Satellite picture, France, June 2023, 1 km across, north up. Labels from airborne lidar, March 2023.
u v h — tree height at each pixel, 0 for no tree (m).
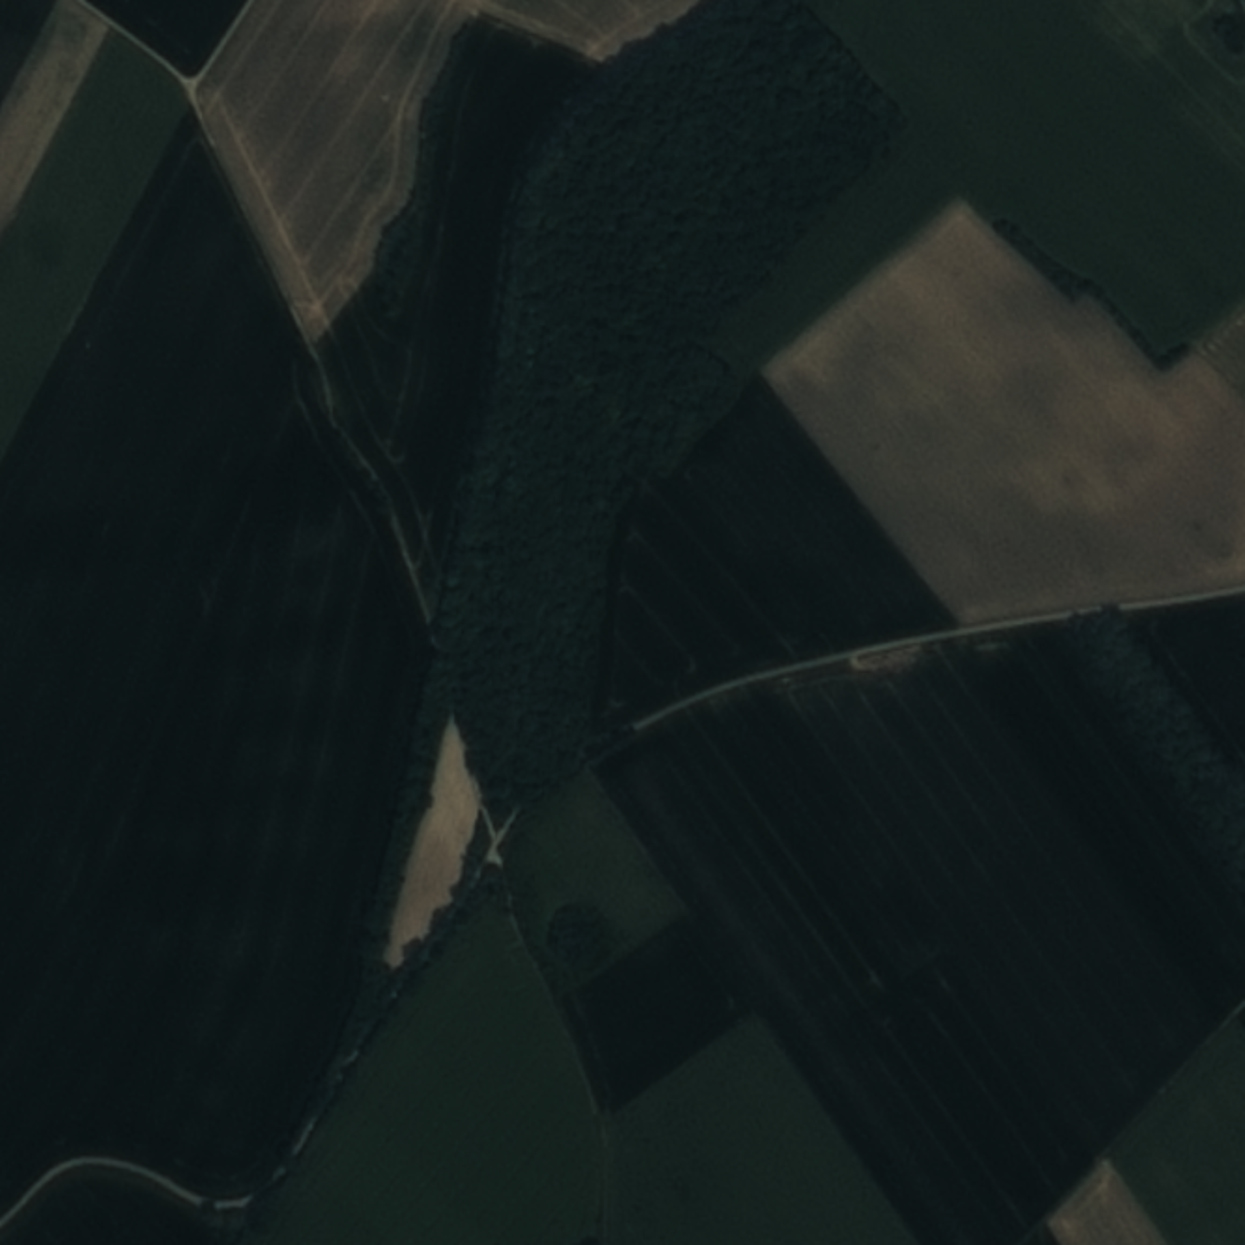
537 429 17
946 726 0
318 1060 0
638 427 17
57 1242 0
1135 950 0
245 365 0
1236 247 0
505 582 18
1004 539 0
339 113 0
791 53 19
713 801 0
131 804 0
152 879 0
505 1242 0
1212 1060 0
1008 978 0
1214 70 0
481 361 0
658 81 16
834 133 18
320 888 0
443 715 7
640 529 0
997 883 0
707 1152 0
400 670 0
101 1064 0
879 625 0
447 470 0
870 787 0
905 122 8
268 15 0
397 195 0
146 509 0
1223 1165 0
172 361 0
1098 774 0
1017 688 0
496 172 0
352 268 0
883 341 0
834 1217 0
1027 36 0
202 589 0
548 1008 0
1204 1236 0
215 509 0
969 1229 0
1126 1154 0
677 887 0
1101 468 0
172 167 0
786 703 0
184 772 0
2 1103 0
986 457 0
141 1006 0
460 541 11
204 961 0
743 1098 0
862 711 0
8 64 0
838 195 8
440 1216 0
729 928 0
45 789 0
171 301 0
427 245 0
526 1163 0
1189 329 0
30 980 0
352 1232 0
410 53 0
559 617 14
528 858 0
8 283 0
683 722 0
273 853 0
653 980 0
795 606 0
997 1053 0
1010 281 0
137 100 0
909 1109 0
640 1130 0
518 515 20
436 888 0
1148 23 0
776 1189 0
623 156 20
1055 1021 0
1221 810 16
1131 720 15
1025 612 0
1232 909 0
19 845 0
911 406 0
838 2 0
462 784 0
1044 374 0
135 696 0
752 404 0
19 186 0
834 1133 0
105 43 0
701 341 8
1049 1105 0
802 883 0
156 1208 0
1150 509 0
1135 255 0
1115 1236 0
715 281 19
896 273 0
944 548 0
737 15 23
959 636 0
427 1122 0
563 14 0
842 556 0
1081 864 0
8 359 0
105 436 0
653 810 0
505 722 18
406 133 0
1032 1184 0
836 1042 0
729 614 0
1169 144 0
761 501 0
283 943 0
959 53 0
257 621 0
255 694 0
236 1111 0
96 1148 0
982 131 0
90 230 0
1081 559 0
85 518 0
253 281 0
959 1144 0
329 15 0
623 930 0
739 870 0
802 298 0
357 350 0
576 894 0
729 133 19
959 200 0
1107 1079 0
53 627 0
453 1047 0
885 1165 0
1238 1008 0
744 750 0
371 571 0
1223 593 0
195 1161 0
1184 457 0
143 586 0
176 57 0
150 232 0
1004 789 0
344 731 0
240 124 0
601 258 14
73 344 0
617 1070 0
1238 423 0
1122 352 0
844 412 0
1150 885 0
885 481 0
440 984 0
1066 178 0
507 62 0
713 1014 0
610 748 9
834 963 0
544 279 13
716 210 17
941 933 0
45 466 0
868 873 0
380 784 0
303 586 0
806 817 0
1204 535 0
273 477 0
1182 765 18
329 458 0
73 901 0
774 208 19
